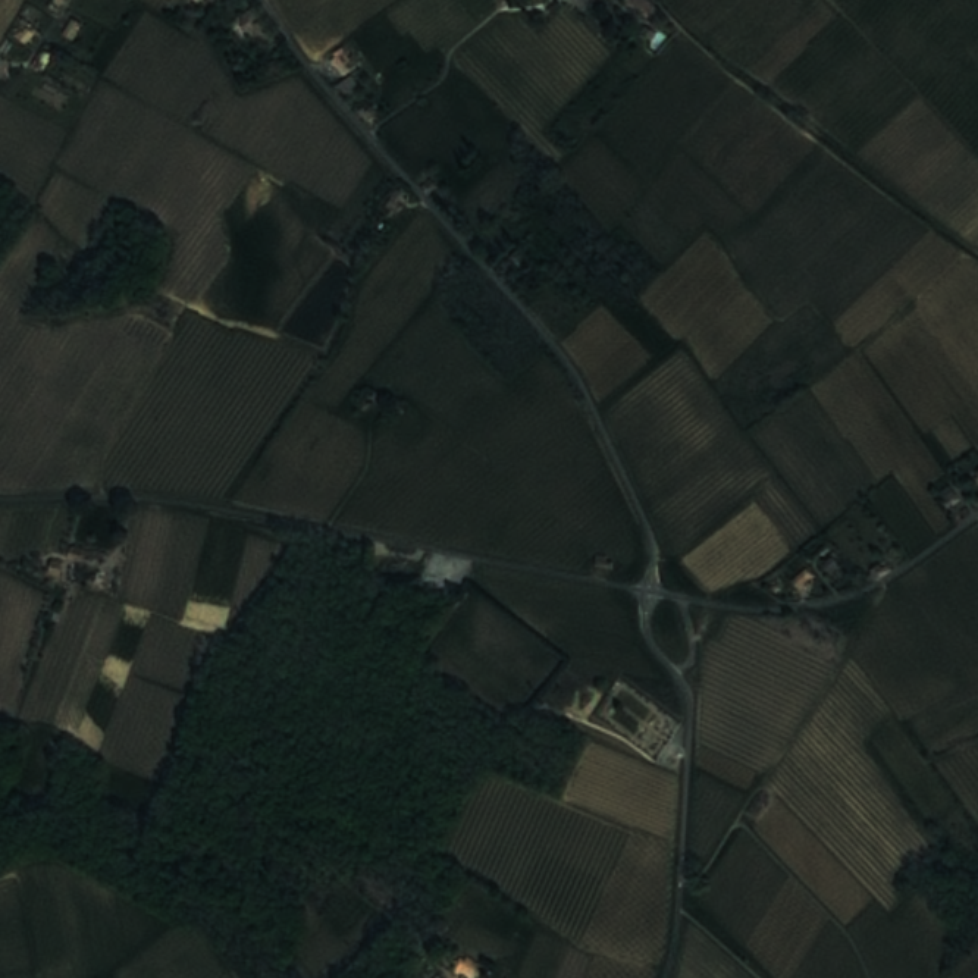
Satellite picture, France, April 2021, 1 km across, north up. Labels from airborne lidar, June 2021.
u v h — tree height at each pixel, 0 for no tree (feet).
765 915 0
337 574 71
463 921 0
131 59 0
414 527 0
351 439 0
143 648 0
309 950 0
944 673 0
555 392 0
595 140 0
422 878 66
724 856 0
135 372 0
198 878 87
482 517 0
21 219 67
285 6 0
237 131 0
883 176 0
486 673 0
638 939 0
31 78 0
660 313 0
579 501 0
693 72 0
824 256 0
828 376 0
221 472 0
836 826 0
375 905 23
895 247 0
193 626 0
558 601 0
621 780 0
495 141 0
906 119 0
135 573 0
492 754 87
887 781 0
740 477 0
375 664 73
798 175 0
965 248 0
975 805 0
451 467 0
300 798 80
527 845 0
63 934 0
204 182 0
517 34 0
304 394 22
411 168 0
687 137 0
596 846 0
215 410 0
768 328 0
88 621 0
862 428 0
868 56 0
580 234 23
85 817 95
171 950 0
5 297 0
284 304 0
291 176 0
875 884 0
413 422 0
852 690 0
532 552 0
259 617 66
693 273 0
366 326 0
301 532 73
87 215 0
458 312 42
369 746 67
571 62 0
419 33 0
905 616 0
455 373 0
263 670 74
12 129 0
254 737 75
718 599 0
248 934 58
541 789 67
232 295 0
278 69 31
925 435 0
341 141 0
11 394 0
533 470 0
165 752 0
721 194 0
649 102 0
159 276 65
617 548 0
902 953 0
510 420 0
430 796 69
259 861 82
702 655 0
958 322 0
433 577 0
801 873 0
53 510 0
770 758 0
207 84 0
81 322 0
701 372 0
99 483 0
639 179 0
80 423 0
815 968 0
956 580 0
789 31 0
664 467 0
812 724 0
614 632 0
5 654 0
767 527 0
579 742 62
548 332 0
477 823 0
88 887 0
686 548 0
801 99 0
